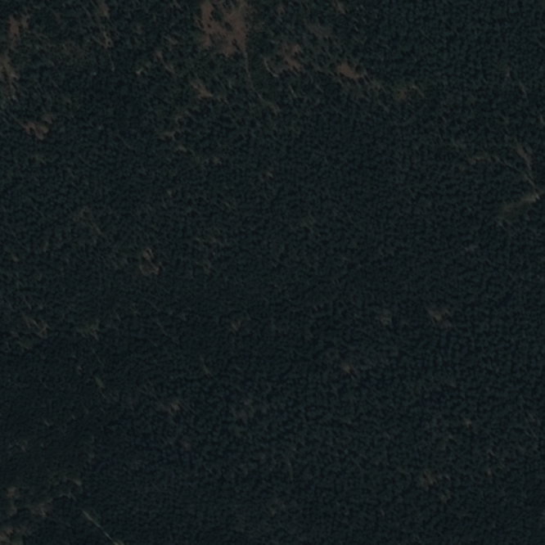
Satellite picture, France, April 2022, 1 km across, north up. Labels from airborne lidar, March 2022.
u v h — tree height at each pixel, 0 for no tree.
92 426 26
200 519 27
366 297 23
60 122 12
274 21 6
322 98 26
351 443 30
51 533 17
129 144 26
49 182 23
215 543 27
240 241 30
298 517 27
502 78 9
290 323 26
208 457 20
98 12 29
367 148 26
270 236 24
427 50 27
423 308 23
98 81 18
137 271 28
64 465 25
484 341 30
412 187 22
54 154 23
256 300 22
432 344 22
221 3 0
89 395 22
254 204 24
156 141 18
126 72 9
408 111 24
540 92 10
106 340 17
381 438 27
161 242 25
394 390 26
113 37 6
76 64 6
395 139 24
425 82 26
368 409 25
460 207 19
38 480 24
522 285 13
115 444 25
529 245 20
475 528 22
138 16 11
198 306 18
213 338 29
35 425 22
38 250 21
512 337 24
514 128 11
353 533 32
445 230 22
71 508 22
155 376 26
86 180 25
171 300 23
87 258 19
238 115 26
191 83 30
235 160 27
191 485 24
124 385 22
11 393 22
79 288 17
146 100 6
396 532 12
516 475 25
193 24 6
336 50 28
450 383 25
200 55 32
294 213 23
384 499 24
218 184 24
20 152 26
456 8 24
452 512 29
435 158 28
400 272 20
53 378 16
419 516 27
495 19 25
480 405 8
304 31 24
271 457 23
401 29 26
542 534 13
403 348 26
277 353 22
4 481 24
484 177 25
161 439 29
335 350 26
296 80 29
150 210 24
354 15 13
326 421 28
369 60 7
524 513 21
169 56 28
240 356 21
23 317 25
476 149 25
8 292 22
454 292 25
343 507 23
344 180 25
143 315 20
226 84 27
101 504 24
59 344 29
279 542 20
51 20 8
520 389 24
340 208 24
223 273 25
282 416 15
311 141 24
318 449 30
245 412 23
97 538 18
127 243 25
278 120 29
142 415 30
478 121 10
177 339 26
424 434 26
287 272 23
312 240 26
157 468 25
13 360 22
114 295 21
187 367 28
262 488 28
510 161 13
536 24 25
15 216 7
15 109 24
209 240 17
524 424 24
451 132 9
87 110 17
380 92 6
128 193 14
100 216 26
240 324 26
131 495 19
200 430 29
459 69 25
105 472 24
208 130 28
